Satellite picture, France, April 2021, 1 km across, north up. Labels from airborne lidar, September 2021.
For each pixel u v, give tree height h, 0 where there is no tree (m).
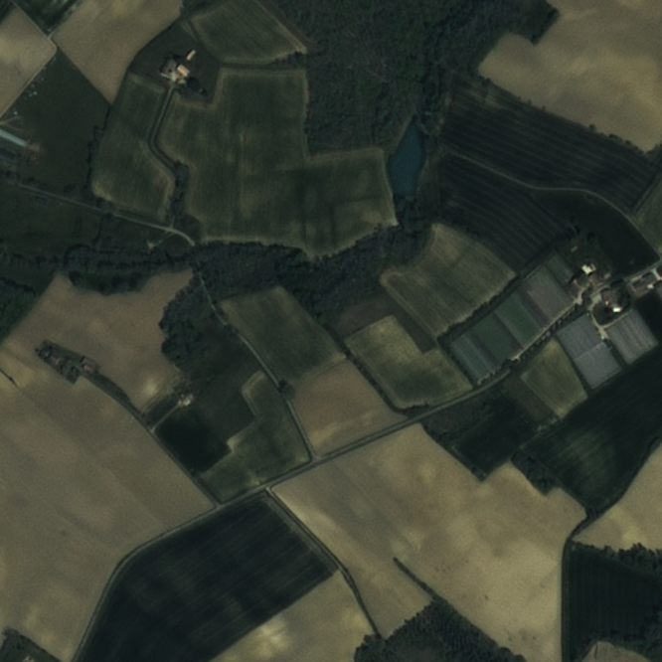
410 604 0
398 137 20
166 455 0
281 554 0
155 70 0
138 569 0
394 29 23
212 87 0
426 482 0
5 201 0
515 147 0
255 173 0
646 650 21
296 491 0
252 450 0
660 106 0
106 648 0
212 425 0
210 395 0
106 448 0
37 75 0
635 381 0
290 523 0
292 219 0
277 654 0
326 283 12
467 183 0
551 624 0
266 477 0
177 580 0
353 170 0
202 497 0
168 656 0
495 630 0
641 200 0
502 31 22
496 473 0
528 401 0
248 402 0
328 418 0
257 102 0
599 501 0
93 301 0
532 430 0
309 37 14
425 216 6
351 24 16
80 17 0
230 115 0
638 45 0
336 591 0
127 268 16
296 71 10
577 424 0
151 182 0
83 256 19
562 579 0
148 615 0
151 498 0
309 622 0
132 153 0
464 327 11
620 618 0
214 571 0
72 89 0
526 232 0
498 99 0
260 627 0
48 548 0
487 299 0
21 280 0
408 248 26
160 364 0
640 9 0
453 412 0
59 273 11
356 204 0
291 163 0
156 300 0
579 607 0
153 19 0
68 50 0
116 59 0
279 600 0
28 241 0
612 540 0
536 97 0
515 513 0
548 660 0
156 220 0
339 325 0
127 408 0
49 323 0
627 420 0
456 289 0
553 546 0
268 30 0
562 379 0
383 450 0
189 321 23
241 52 0
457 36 19
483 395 0
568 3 0
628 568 21
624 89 0
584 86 0
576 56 0
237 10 0
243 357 0
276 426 0
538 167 0
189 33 0
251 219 0
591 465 0
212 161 0
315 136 13
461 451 0
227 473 0
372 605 0
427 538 0
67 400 0
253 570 0
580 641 0
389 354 0
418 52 25
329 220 0
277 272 13
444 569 0
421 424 0
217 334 0
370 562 0
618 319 8
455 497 0
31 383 0
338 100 8
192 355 21
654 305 0
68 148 0
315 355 0
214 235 0
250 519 0
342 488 0
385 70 18
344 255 8
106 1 0
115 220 15
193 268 13
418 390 0
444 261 0
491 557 0
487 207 0
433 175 0
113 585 0
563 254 6
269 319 0
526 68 0
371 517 0
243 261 24
